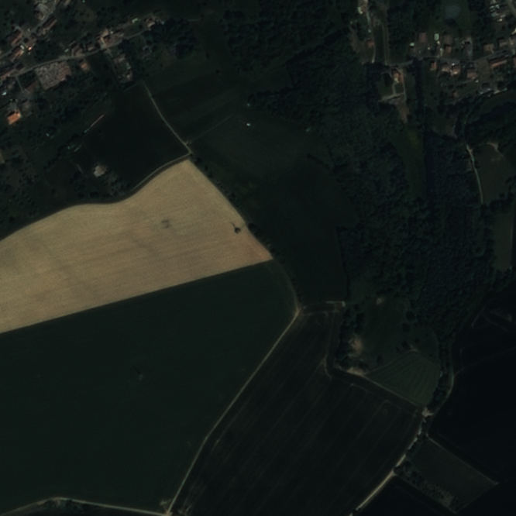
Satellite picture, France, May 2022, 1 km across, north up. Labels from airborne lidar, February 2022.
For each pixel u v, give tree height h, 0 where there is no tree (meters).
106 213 0
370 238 17
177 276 0
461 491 0
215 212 0
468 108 19
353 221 0
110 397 0
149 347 0
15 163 16
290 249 0
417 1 19
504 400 0
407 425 0
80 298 0
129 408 0
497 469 0
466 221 22
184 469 0
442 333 17
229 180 0
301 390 0
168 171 0
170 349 0
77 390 0
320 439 0
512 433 0
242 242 0
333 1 15
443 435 0
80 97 0
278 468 0
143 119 0
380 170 25
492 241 13
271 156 0
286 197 0
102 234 0
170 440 0
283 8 17
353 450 0
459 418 0
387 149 27
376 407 0
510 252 0
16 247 0
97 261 0
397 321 0
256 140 0
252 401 0
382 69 20
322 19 18
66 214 0
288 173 0
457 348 0
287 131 0
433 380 0
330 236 0
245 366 0
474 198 19
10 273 0
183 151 0
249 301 0
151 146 0
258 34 20
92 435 0
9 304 0
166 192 0
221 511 0
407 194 32
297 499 0
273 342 0
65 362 0
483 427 0
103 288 0
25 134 0
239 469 0
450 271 21
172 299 0
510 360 0
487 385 0
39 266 0
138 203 0
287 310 0
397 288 18
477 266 18
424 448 0
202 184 0
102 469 0
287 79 0
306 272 0
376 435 0
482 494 0
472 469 0
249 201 0
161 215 0
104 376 0
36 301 0
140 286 0
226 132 0
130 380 0
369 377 0
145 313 0
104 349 0
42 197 0
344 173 22
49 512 0
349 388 0
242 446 0
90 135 0
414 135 0
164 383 0
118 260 0
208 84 0
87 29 0
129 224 0
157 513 0
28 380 0
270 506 0
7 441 0
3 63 0
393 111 17
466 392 0
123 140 0
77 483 0
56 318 0
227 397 0
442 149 27
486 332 0
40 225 0
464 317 15
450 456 0
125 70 0
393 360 0
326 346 0
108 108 0
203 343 0
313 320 0
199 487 0
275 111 13
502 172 0
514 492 0
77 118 20
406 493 0
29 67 0
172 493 0
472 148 13
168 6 0
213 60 0
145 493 0
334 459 0
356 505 0
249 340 0
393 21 17
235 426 0
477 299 25
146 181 0
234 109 0
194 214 0
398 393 0
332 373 0
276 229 0
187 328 0
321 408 0
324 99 13
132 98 0
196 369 0
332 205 0
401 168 36
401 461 0
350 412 0
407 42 14
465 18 0
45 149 0
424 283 22
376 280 18
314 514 0
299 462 0
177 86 0
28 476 0
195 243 0
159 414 0
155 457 0
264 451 0
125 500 0
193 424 0
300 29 25
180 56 18
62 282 0
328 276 0
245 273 0
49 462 0
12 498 0
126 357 0
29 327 0
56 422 0
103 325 0
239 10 0
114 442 0
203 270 0
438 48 0
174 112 0
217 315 0
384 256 18
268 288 0
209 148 0
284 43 22
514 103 0
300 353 0
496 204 12
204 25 0
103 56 7
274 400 0
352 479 0
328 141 16
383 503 0
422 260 31
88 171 0
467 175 13
